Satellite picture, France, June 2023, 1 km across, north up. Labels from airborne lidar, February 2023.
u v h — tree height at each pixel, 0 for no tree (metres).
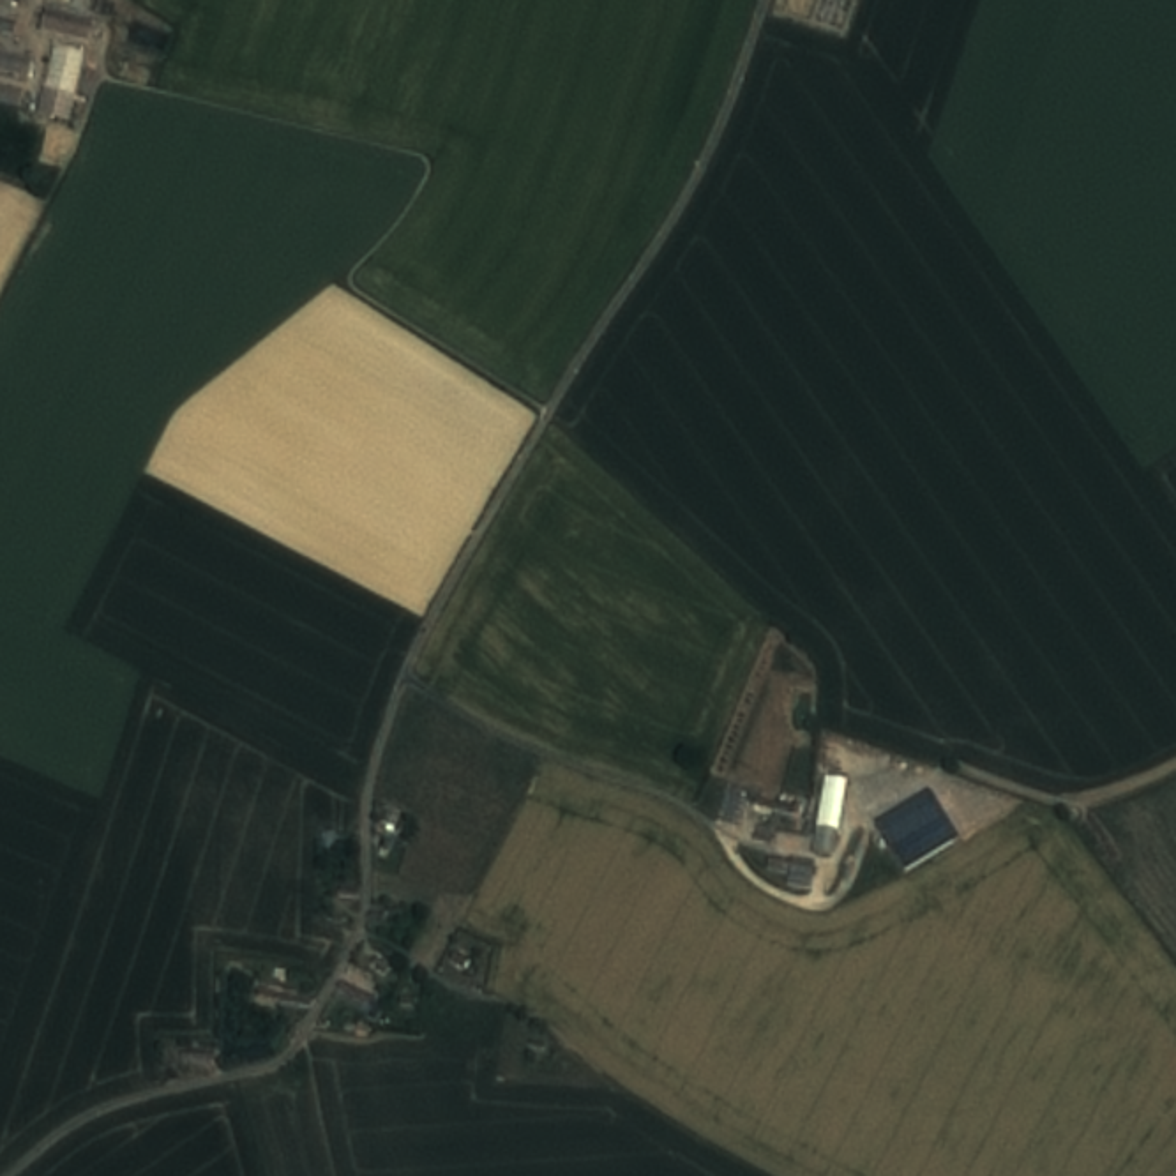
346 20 0
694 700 0
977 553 0
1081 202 0
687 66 0
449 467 0
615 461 0
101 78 0
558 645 0
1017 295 0
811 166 0
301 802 0
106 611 0
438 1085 0
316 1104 0
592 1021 0
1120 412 0
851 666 0
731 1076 0
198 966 0
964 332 0
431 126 0
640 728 0
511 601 0
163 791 0
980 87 0
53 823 0
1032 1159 0
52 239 0
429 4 0
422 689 0
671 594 0
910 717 0
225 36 0
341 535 0
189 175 0
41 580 0
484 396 0
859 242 0
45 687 0
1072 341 0
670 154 0
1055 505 0
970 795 0
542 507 0
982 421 0
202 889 0
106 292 0
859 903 0
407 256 0
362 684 0
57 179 0
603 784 0
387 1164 0
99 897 0
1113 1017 0
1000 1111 0
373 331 0
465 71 0
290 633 0
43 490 0
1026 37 0
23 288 0
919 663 0
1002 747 0
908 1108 0
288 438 0
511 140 0
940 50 0
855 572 0
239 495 0
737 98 0
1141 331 0
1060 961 0
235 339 0
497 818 0
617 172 0
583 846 0
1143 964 0
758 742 0
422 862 0
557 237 0
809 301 0
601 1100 0
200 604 0
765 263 0
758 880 0
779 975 0
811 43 0
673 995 0
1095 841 0
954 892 0
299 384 0
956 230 0
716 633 0
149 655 0
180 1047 6
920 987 0
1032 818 0
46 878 0
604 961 0
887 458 0
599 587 0
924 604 0
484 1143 0
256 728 0
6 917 0
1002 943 0
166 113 0
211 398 0
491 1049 0
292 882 0
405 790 0
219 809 0
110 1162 0
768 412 0
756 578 0
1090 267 0
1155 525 0
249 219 0
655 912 0
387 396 0
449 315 0
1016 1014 0
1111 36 0
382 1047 0
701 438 0
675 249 0
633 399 0
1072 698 0
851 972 0
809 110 0
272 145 0
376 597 0
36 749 0
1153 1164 0
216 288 0
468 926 0
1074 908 0
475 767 0
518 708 0
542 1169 0
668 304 0
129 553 0
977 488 0
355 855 17
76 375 0
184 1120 0
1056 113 0
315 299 0
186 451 0
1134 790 0
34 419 0
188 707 0
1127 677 0
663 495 0
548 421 0
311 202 0
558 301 0
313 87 0
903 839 0
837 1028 0
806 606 0
